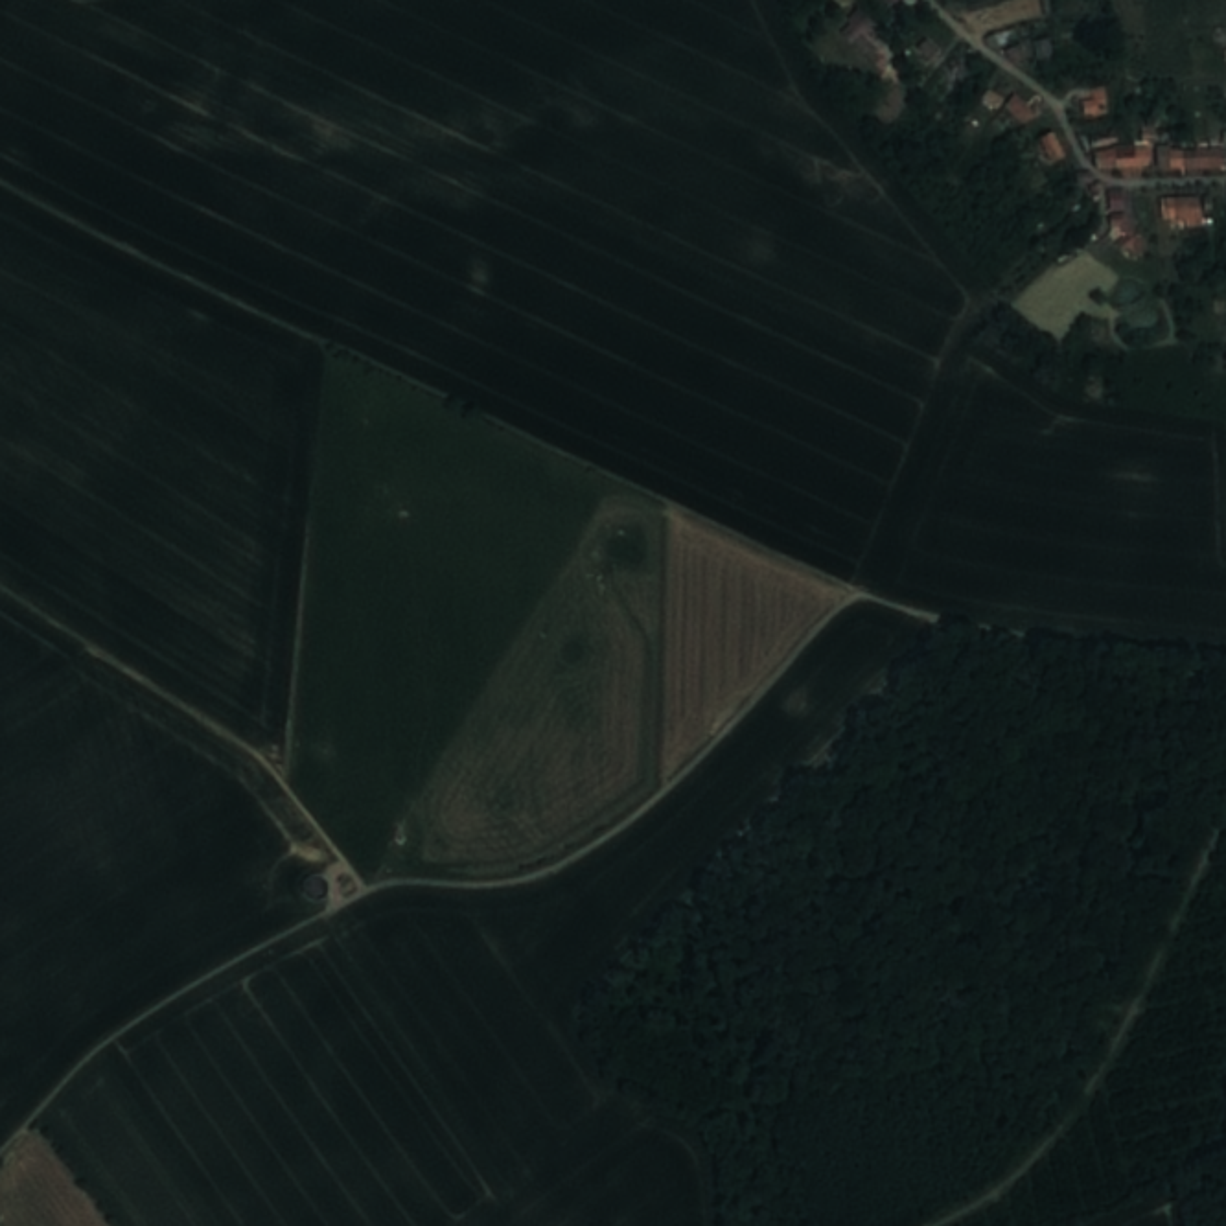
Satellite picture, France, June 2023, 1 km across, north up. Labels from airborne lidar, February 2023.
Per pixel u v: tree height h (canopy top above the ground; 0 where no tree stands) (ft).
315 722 0
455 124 0
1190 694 85
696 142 0
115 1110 0
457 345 0
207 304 0
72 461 0
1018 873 77
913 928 102
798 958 102
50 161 0
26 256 0
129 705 0
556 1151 0
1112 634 0
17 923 0
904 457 0
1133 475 0
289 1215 0
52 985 0
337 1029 0
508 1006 0
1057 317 0
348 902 0
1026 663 77
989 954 96
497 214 0
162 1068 0
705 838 0
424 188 0
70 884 0
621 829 0
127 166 0
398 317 0
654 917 0
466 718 0
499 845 0
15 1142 0
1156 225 0
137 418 0
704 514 0
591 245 0
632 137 0
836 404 0
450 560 0
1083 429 0
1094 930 92
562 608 0
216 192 0
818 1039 94
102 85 0
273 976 0
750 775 0
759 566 0
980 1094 87
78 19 0
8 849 0
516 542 0
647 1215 0
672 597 0
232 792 0
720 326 0
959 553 0
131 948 0
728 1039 73
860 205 0
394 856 0
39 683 0
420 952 0
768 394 0
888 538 0
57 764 0
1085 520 0
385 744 0
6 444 0
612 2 0
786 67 0
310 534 0
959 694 88
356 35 0
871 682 0
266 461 0
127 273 0
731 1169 60
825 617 0
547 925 0
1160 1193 59
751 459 0
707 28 0
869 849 88
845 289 0
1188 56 0
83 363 0
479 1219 0
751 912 102
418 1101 0
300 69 0
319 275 0
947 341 0
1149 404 0
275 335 0
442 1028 0
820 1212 57
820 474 0
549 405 0
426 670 0
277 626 0
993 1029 89
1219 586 0
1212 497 0
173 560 0
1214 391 0
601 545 0
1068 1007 94
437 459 0
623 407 0
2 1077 0
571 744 0
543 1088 0
